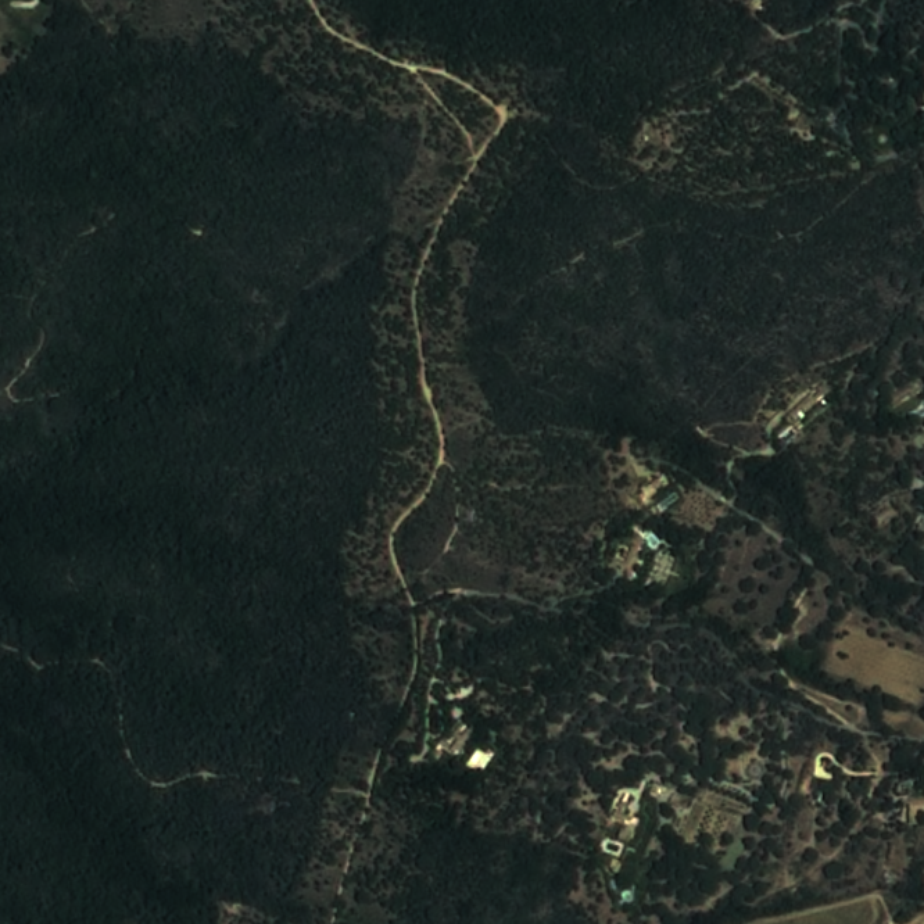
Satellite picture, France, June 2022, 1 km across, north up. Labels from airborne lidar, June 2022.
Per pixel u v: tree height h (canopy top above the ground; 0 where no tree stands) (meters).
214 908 8
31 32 0
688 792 12
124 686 11
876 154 9
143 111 7
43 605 8
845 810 11
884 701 11
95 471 9
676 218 7
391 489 6
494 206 9
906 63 11
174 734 7
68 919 7
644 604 12
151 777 8
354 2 7
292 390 6
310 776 10
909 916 11
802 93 9
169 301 9
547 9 7
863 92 14
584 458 9
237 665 6
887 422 11
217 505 7
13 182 9
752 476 8
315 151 8
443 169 0
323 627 6
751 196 6
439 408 6
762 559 8
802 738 6
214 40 8
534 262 8
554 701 8
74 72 7
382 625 12
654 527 12
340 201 8
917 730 0
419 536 6
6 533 17
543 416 7
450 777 9
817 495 6
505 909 7
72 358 10
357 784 8
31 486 9
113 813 10
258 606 6
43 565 6
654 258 7
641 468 0
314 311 8
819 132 9
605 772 9
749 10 9
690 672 9
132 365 12
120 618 10
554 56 7
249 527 6
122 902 9
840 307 9
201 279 8
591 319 7
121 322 6
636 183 7
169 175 9
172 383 13
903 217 6
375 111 7
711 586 11
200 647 10
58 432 12
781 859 7
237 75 7
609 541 6
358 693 6
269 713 7
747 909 9
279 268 6
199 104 10
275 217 7
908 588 12
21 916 10
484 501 8
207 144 9
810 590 7
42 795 8
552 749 9
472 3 9
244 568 7
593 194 6
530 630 9
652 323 6
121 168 8
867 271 6
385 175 6
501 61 9
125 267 9
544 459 8
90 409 15
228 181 8
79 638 11
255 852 8
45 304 9
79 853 6
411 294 7
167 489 9
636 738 12
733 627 12
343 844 7
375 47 7
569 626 11
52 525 18
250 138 10
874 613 11
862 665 0
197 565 8
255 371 10
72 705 7
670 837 8
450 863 9
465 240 7
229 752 11
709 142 8
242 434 7
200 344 10
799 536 7
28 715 12
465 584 0
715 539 10
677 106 6
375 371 7
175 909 13
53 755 13
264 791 6
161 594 6
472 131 7
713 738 10
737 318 8
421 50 7
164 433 8
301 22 7
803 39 7
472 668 7
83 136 9
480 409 6
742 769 0
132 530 14
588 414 6
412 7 12
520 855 12
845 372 8
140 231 12
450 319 7
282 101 7
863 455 7
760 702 7
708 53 7
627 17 10
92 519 15
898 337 13
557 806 9
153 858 8
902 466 12
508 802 6
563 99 6
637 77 8
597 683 7
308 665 12
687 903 10
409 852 11
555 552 7
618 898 7
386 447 6
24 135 7
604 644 9
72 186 9
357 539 7
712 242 7
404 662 6
